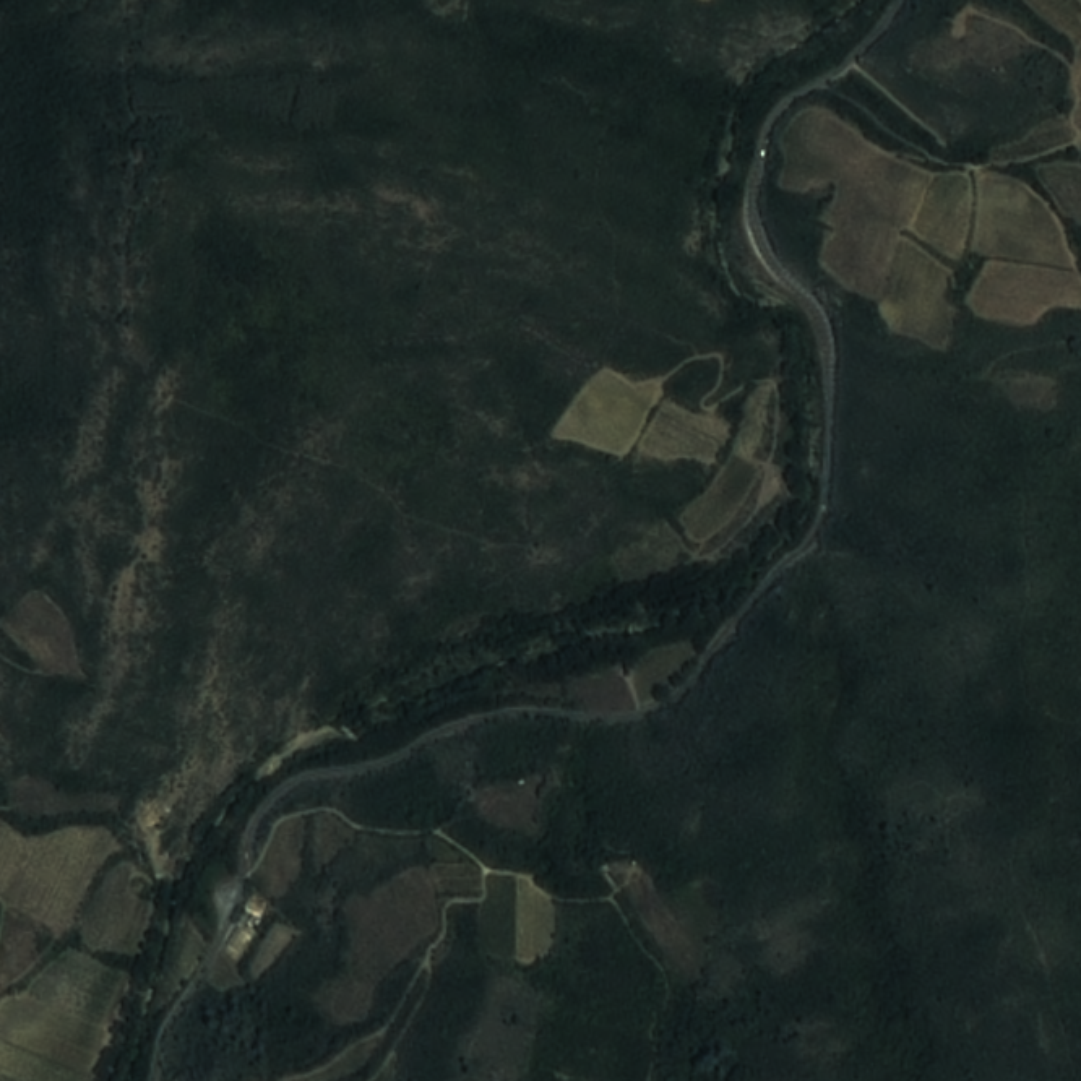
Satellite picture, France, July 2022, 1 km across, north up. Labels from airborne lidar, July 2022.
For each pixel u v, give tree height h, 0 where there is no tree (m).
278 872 0
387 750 8
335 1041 9
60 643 0
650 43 6
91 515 0
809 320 0
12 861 0
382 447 6
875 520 6
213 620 0
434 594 6
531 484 0
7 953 0
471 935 6
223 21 0
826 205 10
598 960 6
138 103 8
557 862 9
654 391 0
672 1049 14
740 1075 10
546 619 14
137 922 0
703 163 7
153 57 0
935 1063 5
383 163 0
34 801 0
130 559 0
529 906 0
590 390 0
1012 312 0
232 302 7
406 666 7
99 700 0
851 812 9
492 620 9
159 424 0
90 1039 0
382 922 0
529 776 6
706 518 0
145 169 9
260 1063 14
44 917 0
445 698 12
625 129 7
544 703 8
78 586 0
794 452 16
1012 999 0
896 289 0
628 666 9
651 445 0
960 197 0
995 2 9
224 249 7
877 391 0
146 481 0
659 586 18
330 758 13
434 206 0
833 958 6
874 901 6
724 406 6
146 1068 7
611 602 19
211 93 8
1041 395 0
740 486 0
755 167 0
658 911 0
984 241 0
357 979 0
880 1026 10
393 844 0
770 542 17
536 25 6
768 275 0
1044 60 8
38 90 7
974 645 0
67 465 0
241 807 13
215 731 0
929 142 8
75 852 0
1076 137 0
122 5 0
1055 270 0
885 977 9
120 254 7
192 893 6
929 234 0
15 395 8
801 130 0
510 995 0
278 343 6
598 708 0
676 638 12
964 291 6
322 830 0
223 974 0
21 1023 0
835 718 5
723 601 10
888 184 0
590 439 0
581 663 23
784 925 0
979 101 0
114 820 10
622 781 8
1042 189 7
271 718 0
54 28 6
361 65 0
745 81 8
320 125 7
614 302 0
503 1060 0
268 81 7
